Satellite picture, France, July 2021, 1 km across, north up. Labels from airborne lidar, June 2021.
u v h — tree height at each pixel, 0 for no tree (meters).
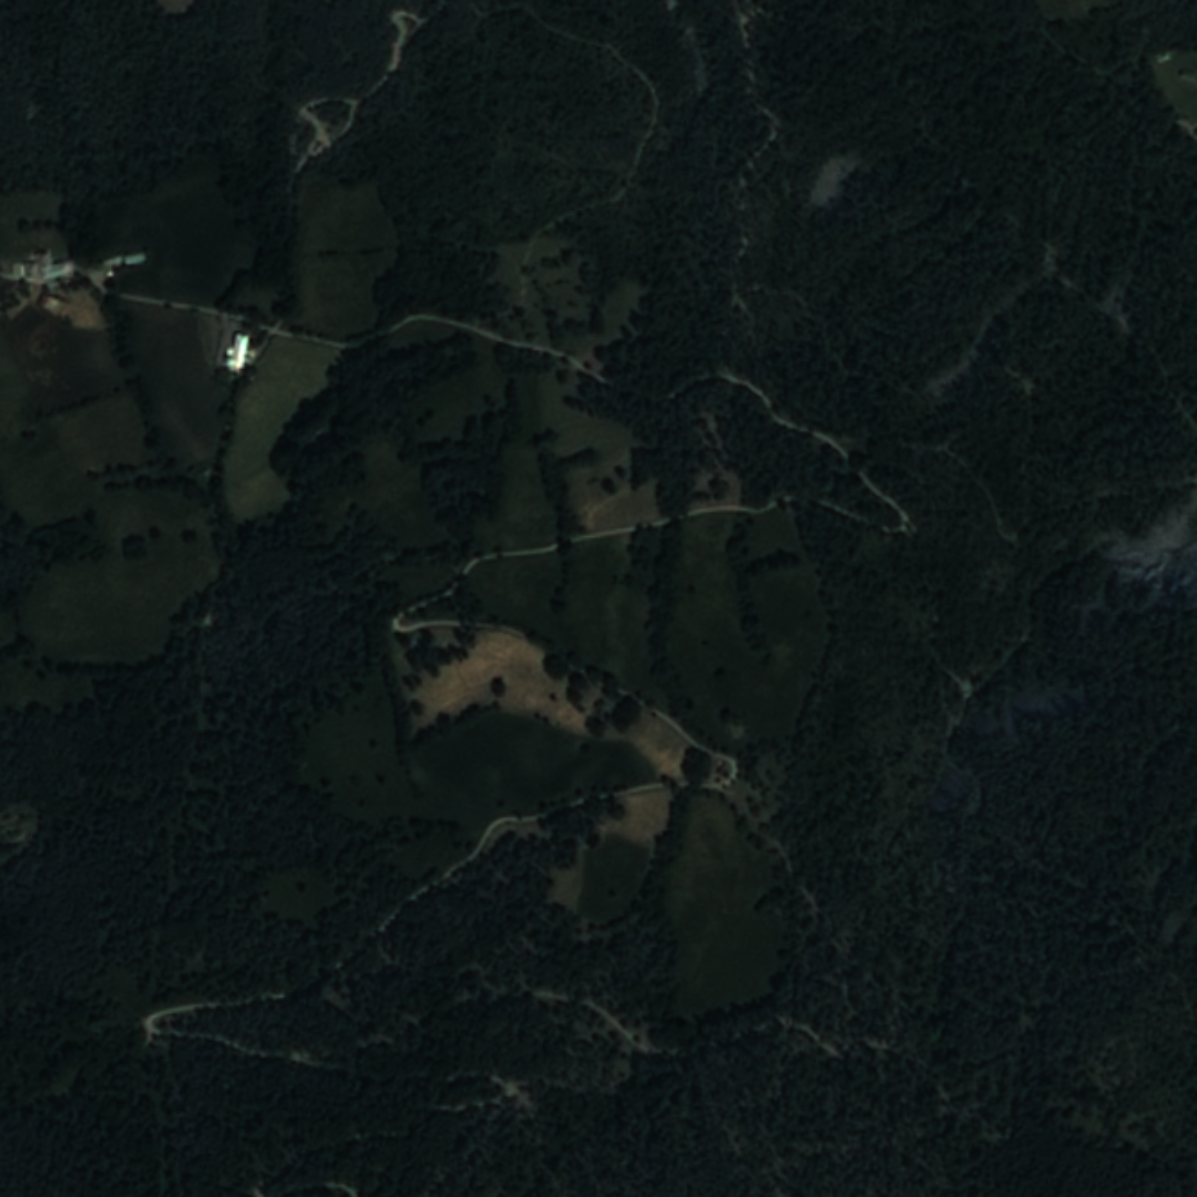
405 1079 11
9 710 10
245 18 7
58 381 0
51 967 14
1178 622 16
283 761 16
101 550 8
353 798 0
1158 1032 12
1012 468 6
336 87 11
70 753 16
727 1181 12
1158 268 18
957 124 11
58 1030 9
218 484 15
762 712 0
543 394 0
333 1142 12
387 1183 20
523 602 0
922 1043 18
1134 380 19
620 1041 10
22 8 7
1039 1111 12
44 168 11
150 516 0
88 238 22
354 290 0
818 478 14
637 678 0
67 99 7
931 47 21
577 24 7
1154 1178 15
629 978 16
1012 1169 9
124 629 0
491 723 0
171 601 0
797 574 0
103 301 7
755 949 0
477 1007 17
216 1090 18
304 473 19
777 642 0
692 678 0
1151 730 23
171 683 15
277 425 0
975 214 17
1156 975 17
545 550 0
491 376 0
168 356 0
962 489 18
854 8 14
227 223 0
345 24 11
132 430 0
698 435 13
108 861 14
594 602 0
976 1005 6
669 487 14
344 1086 24
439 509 7
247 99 11
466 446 14
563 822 16
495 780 0
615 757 0
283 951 12
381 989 13
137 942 12
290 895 0
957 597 12
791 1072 20
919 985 14
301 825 12
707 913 0
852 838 17
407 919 12
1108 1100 8
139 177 15
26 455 0
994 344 12
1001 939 10
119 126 9
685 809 12
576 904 0
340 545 6
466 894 17
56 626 0
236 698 7
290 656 23
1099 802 20
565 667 14
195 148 13
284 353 0
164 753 16
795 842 12
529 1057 14
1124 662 25
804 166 11
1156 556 0
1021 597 18
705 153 9
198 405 0
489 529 0
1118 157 9
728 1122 17
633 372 20
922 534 14
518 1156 7
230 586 13
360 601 12
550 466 10
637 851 0
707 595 0
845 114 9
